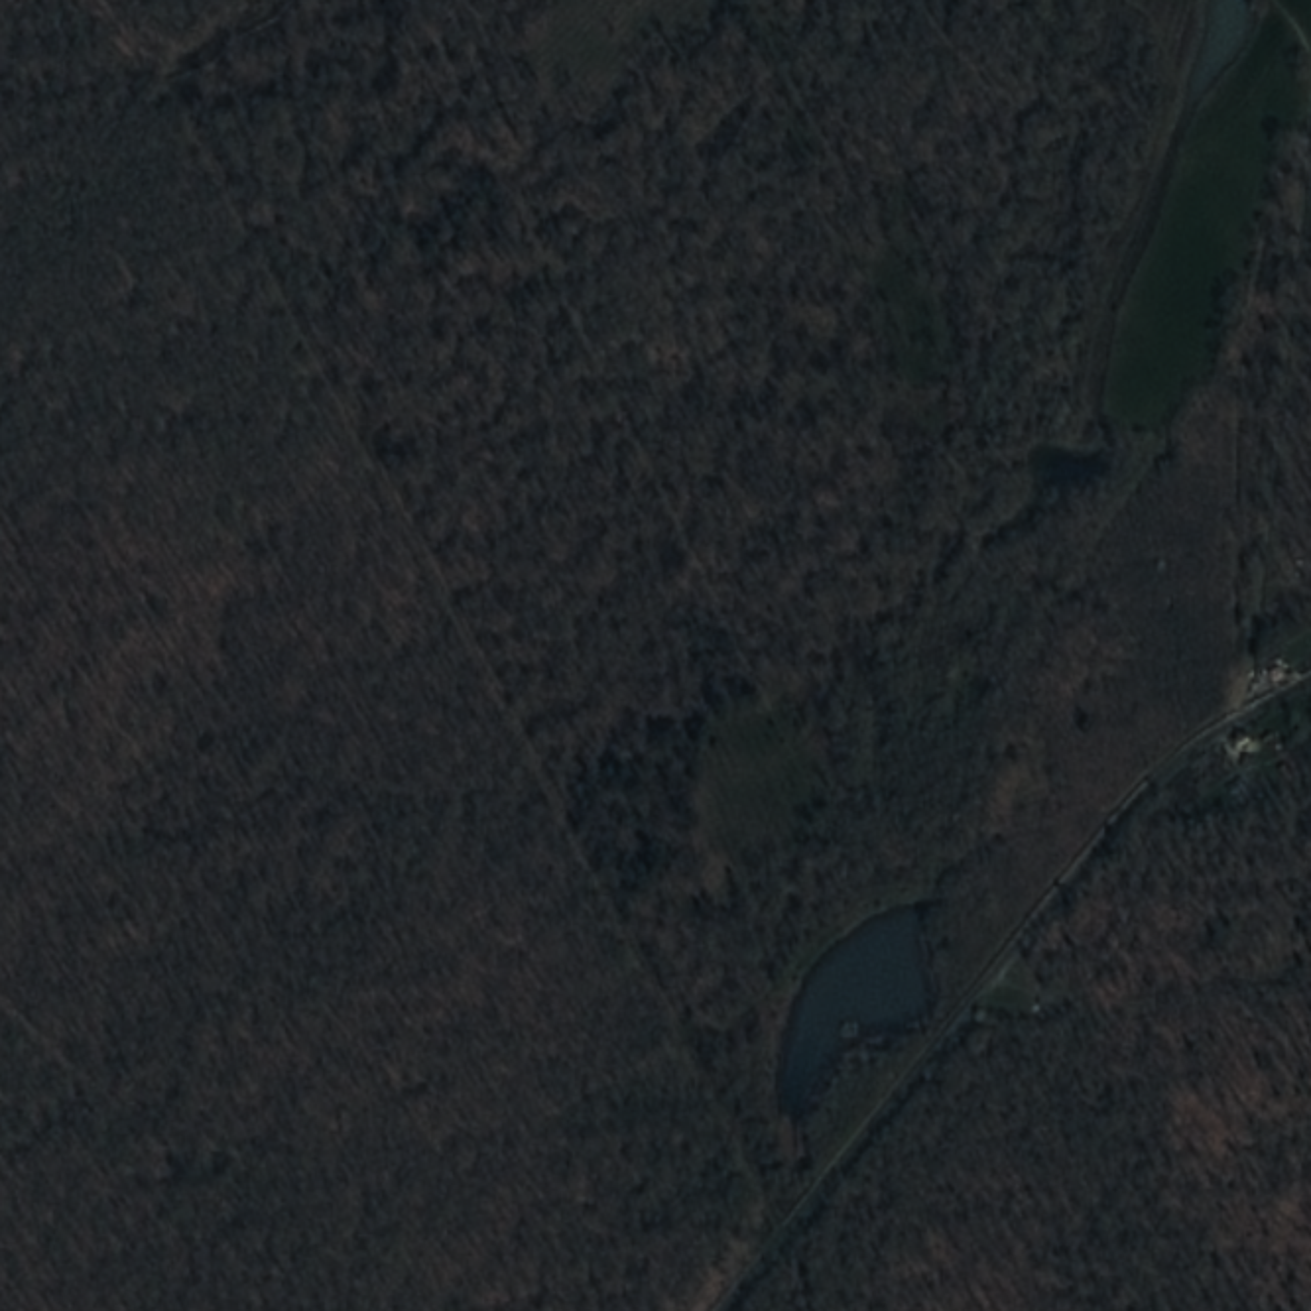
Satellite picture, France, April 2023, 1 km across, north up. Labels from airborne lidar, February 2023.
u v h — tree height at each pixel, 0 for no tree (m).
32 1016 24
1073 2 25
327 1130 23
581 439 25
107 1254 24
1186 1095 25
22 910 28
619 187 22
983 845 11
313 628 24
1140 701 12
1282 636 16
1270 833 25
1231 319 17
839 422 22
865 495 24
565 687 21
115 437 25
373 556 18
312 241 21
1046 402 15
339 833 26
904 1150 22
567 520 22
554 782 21
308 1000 23
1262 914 24
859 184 21
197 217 20
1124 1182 23
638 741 24
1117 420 0
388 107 26
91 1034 19
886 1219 19
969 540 13
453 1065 23
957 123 22
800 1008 0
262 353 23
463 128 20
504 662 21
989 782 15
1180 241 0
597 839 21
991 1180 26
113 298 21
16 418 25
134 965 22
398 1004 19
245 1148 24
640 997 20
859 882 21
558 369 16
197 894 23
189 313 24
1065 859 9
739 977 21
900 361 0
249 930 24
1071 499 15
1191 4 0
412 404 25
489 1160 21
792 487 21
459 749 20
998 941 10
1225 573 8
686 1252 18
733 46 20
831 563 24
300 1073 22
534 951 20
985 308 16
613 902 11
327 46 24
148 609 23
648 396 21
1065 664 19
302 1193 24
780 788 0
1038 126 12
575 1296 16
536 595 17
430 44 24
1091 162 23
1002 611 12
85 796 27
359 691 23
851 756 24
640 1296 17
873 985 0
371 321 29
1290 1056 27
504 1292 23
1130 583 10
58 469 22
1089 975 12
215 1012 20
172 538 26
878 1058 16
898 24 24
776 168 21
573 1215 21
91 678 26
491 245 11
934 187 23
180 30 21
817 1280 22
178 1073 25
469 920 21
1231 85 0
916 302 0
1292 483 28
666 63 19
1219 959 20
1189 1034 26
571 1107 27
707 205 20
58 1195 23
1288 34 0
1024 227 18
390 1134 22
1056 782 14
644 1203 20
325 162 15
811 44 24
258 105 23
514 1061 22
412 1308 14
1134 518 11
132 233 18
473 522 22
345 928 13
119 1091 23
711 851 0
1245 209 0
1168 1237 20
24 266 22
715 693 23
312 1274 23
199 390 24
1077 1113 23
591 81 0
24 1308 25
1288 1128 8
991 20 26
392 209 18
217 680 19
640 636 20
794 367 22
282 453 18
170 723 18
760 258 10
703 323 21
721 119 17
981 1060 10
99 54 25
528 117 15
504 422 9
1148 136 18
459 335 26
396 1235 15
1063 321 26
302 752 23
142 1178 26
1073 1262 19
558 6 18
